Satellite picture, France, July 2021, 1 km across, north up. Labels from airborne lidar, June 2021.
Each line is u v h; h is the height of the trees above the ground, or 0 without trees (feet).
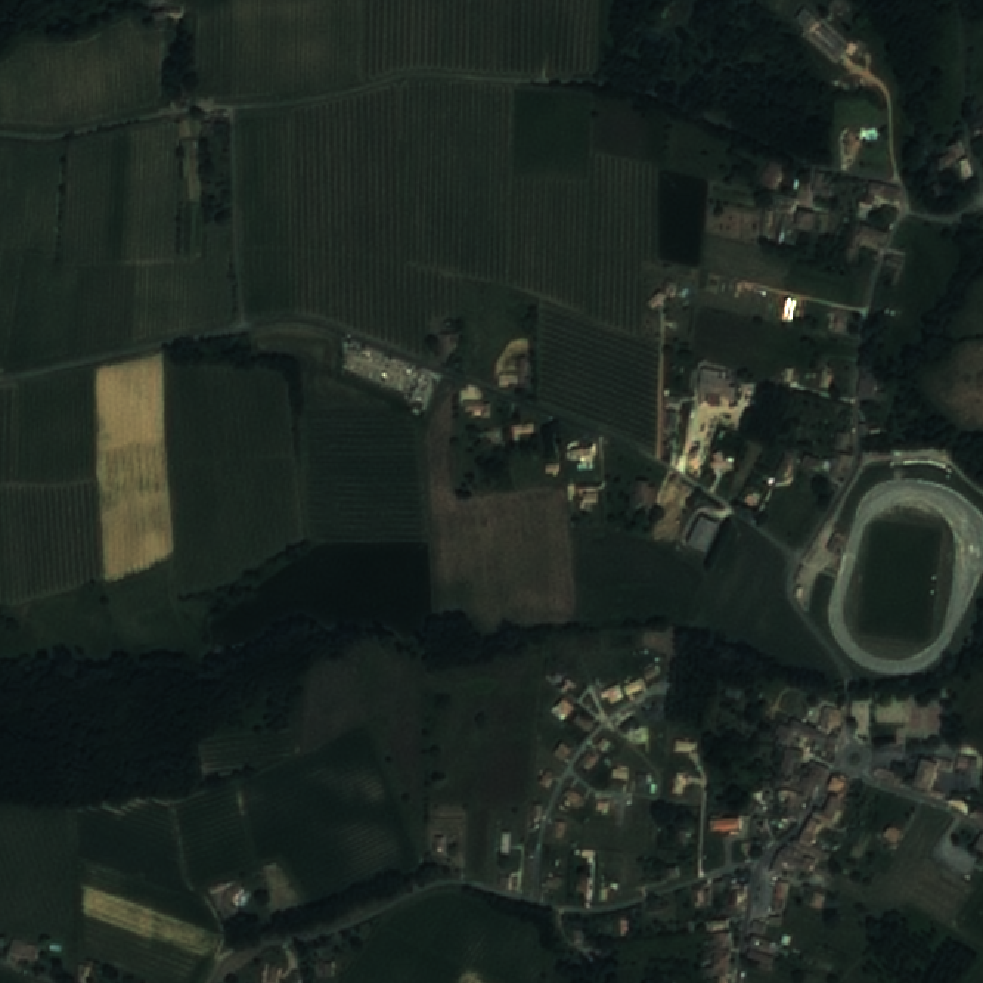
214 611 24
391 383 0
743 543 0
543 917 36
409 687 0
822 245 24
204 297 0
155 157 0
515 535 0
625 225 0
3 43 61
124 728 61
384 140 0
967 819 0
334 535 0
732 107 60
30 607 0
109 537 0
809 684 88
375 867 0
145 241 0
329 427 0
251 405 0
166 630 0
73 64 0
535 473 0
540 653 0
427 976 0
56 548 0
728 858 0
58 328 0
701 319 0
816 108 26
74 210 0
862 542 0
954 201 52
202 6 0
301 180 0
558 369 0
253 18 0
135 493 0
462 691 0
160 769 69
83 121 0
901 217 0
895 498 0
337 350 0
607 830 0
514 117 0
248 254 0
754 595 0
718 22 44
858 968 0
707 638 55
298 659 63
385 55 0
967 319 0
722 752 33
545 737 0
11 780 64
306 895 0
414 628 0
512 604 0
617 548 0
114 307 0
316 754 0
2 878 0
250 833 0
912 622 0
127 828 0
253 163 0
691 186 0
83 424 0
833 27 0
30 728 45
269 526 0
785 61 34
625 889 0
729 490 0
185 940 0
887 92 0
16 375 0
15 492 0
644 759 0
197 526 0
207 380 0
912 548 0
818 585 0
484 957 0
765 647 0
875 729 19
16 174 0
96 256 0
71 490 0
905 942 39
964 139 25
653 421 0
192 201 0
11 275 0
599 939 24
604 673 0
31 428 0
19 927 0
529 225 0
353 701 0
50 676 62
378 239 0
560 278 0
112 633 0
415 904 0
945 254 0
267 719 27
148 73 0
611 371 0
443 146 0
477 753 0
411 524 0
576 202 0
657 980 27
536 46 0
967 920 0
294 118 0
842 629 0
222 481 0
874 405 24
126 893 0
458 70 0
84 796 51
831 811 0
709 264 0
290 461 0
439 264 0
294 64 0
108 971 40
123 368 0
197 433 0
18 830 0
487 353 0
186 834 0
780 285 0
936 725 0
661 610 0
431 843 0
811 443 25
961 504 0
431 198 0
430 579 0
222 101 0
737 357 0
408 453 0
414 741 0
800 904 53
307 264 0
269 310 0
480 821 0
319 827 0
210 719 50
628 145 0
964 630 0
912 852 0
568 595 0
